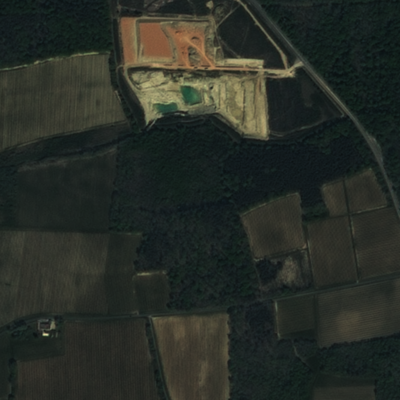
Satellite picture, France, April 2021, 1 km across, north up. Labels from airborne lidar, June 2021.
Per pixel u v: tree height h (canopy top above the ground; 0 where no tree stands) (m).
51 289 0
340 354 18
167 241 19
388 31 23
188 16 0
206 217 21
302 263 0
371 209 0
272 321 12
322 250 0
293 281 0
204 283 19
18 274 0
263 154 0
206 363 0
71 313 0
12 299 0
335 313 0
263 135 0
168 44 0
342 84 25
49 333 0
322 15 21
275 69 0
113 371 0
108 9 17
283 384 16
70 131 0
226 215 19
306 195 0
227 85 0
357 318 0
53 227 0
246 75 0
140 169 12
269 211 0
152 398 0
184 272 16
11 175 12
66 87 0
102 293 0
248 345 11
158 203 8
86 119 0
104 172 0
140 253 18
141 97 0
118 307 0
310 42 19
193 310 14
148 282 0
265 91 0
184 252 20
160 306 0
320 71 18
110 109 0
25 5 23
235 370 19
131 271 0
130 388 0
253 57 0
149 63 0
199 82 0
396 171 20
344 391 0
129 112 17
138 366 0
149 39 0
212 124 8
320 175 0
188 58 0
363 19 17
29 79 0
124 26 0
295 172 0
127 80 0
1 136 0
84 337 0
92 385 0
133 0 0
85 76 0
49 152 7
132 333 0
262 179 0
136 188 7
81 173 0
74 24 22
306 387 21
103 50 20
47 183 0
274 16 18
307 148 0
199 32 0
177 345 0
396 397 15
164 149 9
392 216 0
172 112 0
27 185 0
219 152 9
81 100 0
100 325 0
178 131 10
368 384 0
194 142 10
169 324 0
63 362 0
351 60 25
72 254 0
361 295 0
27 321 0
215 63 0
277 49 0
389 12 24
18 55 19
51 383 0
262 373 19
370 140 0
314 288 10
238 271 19
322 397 0
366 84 13
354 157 0
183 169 11
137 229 14
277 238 0
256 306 11
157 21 0
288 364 17
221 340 0
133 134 7
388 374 14
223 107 0
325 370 16
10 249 0
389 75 17
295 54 0
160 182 10
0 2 24
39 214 0
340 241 0
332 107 0
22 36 18
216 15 0
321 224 0
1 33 22
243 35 0
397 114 18
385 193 14
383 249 0
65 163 0
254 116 0
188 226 19
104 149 16
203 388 0
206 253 17
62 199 0
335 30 27
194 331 0
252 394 18
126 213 18
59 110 0
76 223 0
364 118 19
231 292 18
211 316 0
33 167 0
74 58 0
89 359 0
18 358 0
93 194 0
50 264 0
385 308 0
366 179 0
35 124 0
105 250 0
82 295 0
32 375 0
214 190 14
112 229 7
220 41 0
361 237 0
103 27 21
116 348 0
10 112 0
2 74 0
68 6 24
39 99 0
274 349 18
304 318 0
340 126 19
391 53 22
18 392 0
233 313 19
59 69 0
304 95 0
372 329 0
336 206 0
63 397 0
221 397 0
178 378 0
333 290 0
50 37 16
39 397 0
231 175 18
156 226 20
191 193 12
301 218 0
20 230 0
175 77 0
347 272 0
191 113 0
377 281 0
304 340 14
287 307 0
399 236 0
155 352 18
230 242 18
